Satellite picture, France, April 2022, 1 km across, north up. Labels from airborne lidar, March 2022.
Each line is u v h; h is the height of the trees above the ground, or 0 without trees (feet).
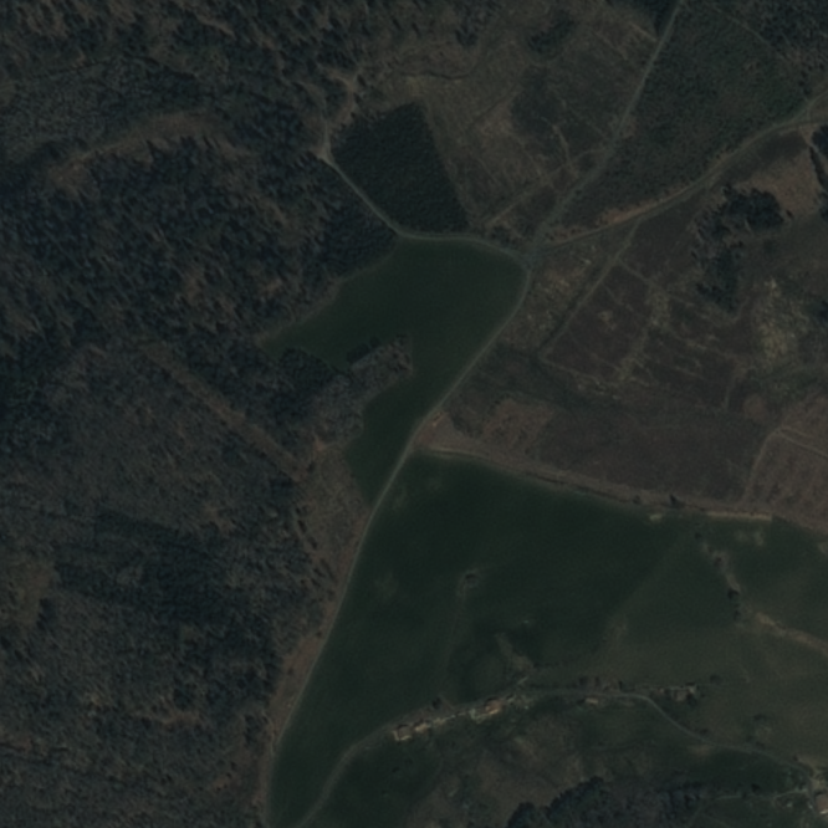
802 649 0
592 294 0
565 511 0
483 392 0
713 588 0
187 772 71
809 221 0
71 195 66
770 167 0
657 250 0
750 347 0
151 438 83
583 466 0
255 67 80
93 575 61
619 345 0
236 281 81
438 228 20
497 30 0
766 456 0
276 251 96
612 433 0
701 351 0
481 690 0
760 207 75
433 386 0
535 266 0
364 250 53
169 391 77
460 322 0
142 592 36
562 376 0
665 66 37
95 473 75
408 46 0
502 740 0
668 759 0
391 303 0
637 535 0
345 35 103
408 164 18
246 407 86
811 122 0
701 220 0
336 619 0
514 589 0
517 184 0
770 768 0
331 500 0
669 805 68
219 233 84
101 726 63
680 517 0
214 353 74
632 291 0
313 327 0
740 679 0
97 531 40
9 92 0
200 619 71
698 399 0
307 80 43
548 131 0
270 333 85
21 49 81
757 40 37
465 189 0
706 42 31
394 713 0
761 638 0
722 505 0
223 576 70
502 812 0
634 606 0
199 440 80
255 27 71
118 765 71
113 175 83
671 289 0
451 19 0
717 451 0
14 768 53
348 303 0
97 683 78
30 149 62
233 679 80
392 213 25
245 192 22
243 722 76
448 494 0
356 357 0
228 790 24
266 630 83
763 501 0
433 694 0
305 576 34
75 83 75
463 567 0
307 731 0
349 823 0
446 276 0
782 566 0
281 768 0
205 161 75
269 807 0
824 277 0
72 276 70
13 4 75
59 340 89
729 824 0
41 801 69
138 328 90
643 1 44
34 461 68
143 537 52
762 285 0
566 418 0
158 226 48
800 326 0
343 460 0
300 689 0
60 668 82
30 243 101
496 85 0
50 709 63
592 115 0
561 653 0
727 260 32
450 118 0
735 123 20
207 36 46
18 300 85
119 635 71
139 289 67
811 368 0
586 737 0
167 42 21
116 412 93
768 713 0
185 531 73
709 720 0
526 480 0
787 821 0
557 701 20
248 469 92
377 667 0
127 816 69
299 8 0
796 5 58
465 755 0
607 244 0
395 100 0
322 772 0
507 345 0
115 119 70
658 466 0
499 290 0
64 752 34
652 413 0
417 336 0
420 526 0
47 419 89
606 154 0
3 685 75
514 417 0
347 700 0
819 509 0
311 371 44
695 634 0
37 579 0
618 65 0
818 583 0
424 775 0
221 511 78
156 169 25
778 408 0
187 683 68
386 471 0
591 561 0
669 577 0
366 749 0
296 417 78
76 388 83
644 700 0
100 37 85
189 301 64
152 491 67
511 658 0
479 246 0
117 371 72
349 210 44
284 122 31
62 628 82
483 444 0
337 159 23
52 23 78
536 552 0
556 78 0
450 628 0
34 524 66
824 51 52
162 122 0
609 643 0
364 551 0
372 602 0
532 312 0
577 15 0
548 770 0
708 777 0
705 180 0
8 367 89
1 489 62
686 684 0
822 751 0
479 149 0
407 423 0
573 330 0
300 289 64
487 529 0
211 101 82
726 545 0
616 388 0
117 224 98
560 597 0
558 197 0
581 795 60
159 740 81
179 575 71
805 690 0
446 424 0
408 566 0
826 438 0
